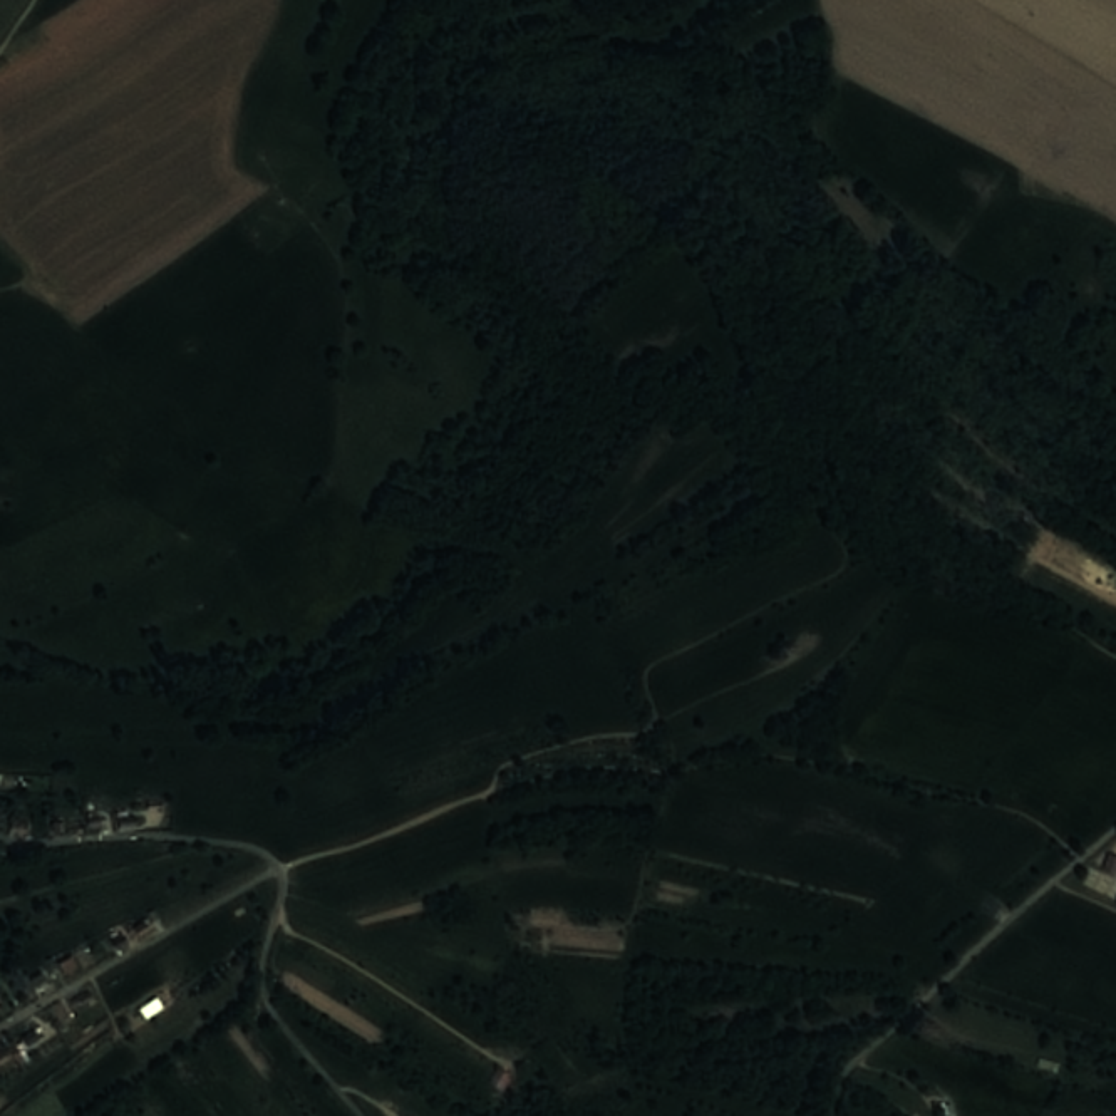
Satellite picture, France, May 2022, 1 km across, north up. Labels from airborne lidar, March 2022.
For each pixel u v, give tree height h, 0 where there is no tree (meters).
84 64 0
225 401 0
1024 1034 0
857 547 15
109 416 0
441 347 0
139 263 0
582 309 15
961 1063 0
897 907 0
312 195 0
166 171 0
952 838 0
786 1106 19
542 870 0
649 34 0
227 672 26
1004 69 0
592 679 0
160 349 0
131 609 0
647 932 0
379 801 0
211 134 0
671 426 15
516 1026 9
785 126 24
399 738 0
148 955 0
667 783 10
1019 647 0
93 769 0
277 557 0
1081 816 0
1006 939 0
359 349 12
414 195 26
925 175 0
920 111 0
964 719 0
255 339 0
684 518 20
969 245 0
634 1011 13
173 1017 0
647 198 24
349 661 17
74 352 0
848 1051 15
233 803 0
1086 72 0
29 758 0
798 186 25
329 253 0
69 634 0
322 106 0
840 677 15
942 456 22
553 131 22
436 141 21
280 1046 0
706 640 0
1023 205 0
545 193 19
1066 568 0
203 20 0
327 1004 0
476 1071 0
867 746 0
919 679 0
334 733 14
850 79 0
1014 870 0
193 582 0
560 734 14
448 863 0
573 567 0
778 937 8
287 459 0
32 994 11
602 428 13
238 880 0
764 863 0
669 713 0
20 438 0
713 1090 16
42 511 0
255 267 0
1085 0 0
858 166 0
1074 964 0
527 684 0
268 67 0
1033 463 22
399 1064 8
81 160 0
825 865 0
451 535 8
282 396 0
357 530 0
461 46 18
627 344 0
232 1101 0
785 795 0
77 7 0
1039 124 0
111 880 0
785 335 22
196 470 0
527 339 17
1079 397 24
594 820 17
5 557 0
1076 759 0
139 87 0
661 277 0
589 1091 0
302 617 0
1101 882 0
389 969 0
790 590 0
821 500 18
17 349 0
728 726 0
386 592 0
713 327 0
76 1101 0
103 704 0
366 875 0
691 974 15
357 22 0
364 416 0
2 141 0
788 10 0
